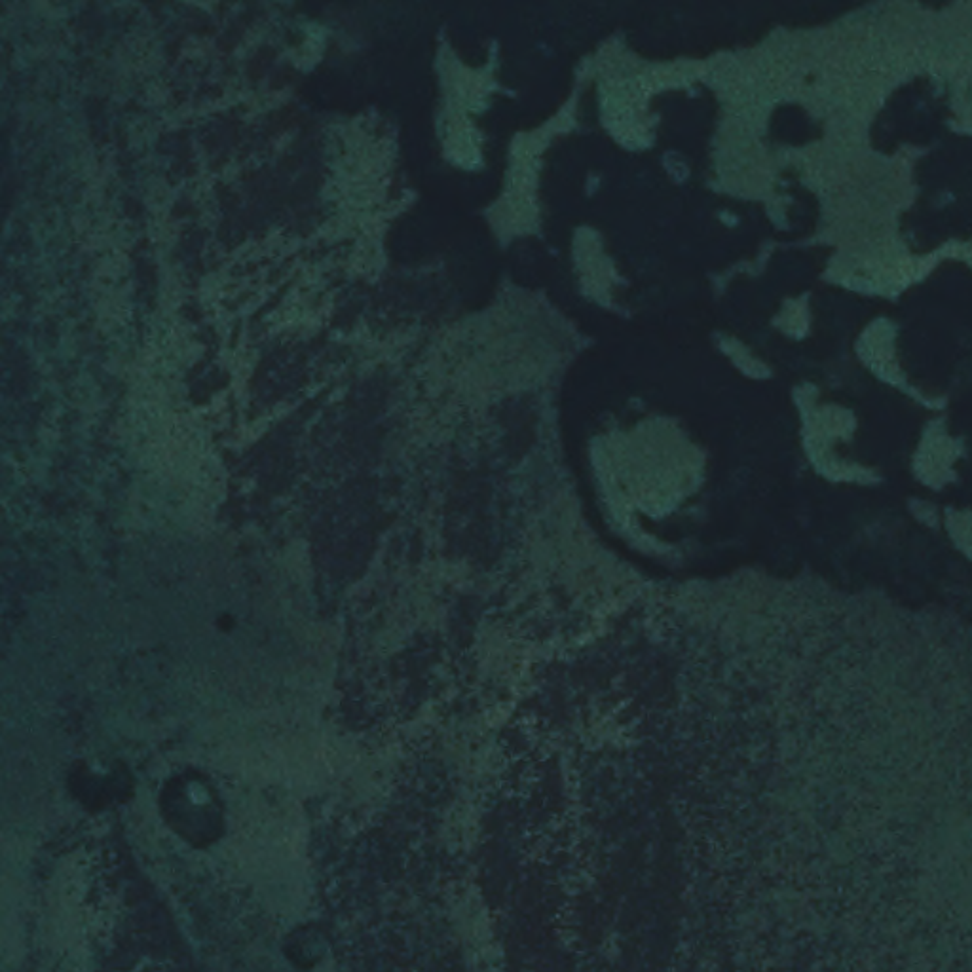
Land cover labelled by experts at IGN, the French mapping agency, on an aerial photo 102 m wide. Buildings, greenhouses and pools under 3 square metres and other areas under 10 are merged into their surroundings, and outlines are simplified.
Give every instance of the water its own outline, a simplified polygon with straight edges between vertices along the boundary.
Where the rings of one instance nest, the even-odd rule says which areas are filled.
[[[972,0],[0,0],[0,972],[972,972]]]

